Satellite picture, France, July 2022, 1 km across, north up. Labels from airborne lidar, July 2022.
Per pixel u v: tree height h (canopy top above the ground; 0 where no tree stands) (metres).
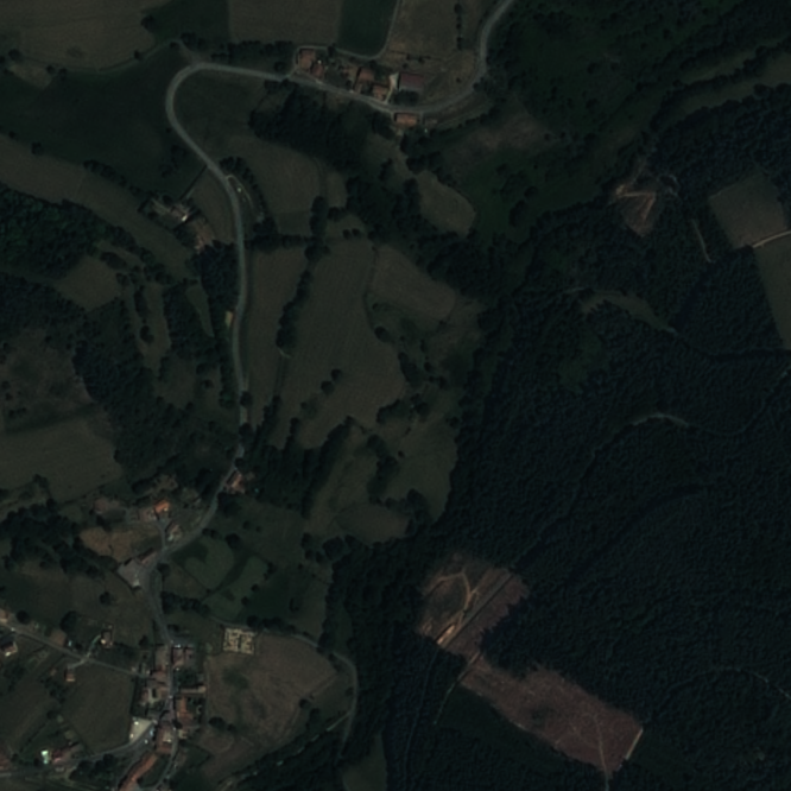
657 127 21
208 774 0
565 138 13
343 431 17
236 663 0
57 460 0
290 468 15
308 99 10
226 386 11
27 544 16
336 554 21
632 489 17
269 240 20
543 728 0
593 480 15
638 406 14
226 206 0
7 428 0
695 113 0
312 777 11
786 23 15
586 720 0
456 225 0
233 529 0
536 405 12
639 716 19
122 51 0
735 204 0
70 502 6
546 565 25
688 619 21
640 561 24
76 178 0
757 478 22
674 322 8
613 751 0
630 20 8
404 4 0
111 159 0
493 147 0
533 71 6
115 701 0
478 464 7
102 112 0
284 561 0
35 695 0
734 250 7
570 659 26
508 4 0
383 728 15
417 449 0
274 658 0
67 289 0
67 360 0
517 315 20
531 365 14
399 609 17
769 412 23
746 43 29
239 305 0
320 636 0
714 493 18
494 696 0
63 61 0
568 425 21
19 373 0
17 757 7
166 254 0
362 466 0
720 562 17
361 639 13
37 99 0
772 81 0
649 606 22
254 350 0
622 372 15
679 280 9
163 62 0
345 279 0
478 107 0
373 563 16
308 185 0
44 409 0
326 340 0
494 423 23
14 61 17
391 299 0
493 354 15
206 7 0
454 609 0
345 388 0
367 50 0
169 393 0
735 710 15
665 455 14
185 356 13
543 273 22
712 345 27
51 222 27
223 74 0
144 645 8
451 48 0
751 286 21
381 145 0
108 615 0
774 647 24
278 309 0
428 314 0
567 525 19
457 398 0
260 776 11
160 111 0
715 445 28
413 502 20
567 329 6
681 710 21
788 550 12
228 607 0
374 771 0
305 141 20
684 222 7
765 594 18
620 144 0
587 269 7
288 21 0
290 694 0
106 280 0
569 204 0
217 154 0
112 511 0
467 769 17
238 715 0
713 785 9
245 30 0
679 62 18
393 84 0
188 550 0
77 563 21
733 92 0
